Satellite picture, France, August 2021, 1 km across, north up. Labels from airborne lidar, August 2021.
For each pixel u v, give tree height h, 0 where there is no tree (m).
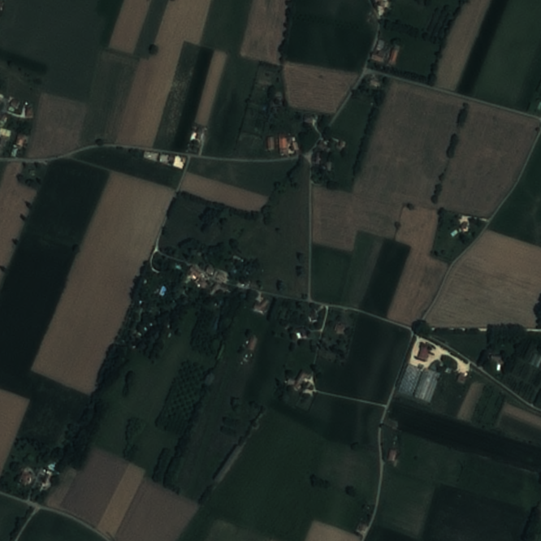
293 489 0
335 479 0
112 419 0
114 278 0
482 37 0
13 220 0
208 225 15
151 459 0
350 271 0
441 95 0
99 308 0
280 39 0
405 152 0
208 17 0
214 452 0
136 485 0
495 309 0
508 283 0
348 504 0
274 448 0
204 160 0
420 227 0
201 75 0
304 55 0
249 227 0
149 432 0
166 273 11
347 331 11
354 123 0
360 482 0
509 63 0
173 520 0
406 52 0
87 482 0
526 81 0
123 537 0
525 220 0
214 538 0
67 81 0
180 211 0
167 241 0
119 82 0
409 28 15
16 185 0
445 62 0
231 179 0
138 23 0
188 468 0
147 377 0
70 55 0
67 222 0
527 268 0
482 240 0
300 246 0
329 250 0
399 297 0
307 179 0
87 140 0
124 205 0
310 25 0
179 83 0
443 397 0
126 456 9
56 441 0
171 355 0
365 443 0
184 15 0
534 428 0
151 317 9
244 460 0
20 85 0
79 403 0
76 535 0
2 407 0
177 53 0
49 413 0
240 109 0
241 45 0
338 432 0
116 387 0
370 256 0
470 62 0
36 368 0
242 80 0
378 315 0
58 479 13
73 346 0
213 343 13
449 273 0
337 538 0
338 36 0
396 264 0
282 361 0
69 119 0
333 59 0
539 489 0
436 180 0
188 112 0
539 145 0
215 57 0
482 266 0
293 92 0
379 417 0
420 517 0
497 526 0
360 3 0
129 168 0
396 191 0
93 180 0
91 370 0
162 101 0
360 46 0
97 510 0
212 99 0
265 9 0
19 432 0
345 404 0
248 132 0
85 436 14
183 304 18
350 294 0
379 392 0
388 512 0
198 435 0
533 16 0
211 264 8
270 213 11
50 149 0
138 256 0
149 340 8
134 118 0
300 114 7
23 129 7
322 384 0
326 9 0
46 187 0
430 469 0
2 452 0
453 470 0
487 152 0
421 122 0
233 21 0
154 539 0
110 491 0
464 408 0
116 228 0
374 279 0
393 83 0
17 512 0
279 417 0
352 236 0
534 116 0
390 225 0
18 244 20
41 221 0
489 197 0
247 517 0
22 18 0
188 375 8
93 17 0
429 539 0
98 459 0
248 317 0
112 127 0
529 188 0
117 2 0
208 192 0
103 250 0
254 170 0
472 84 0
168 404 8
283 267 0
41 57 0
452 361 0
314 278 0
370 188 0
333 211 0
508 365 14
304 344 15
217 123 0
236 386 0
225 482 0
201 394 12
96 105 0
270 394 0
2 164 0
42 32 0
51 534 0
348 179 0
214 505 0
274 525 0
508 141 0
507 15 0
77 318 0
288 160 0
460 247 0
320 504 0
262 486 0
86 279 0
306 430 0
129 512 0
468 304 0
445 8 8
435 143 0
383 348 0
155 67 0
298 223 0
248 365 0
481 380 0
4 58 0
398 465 0
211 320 8
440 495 0
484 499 0
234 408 10
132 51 0
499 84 0
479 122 0
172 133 0
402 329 0
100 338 0
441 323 0
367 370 0
